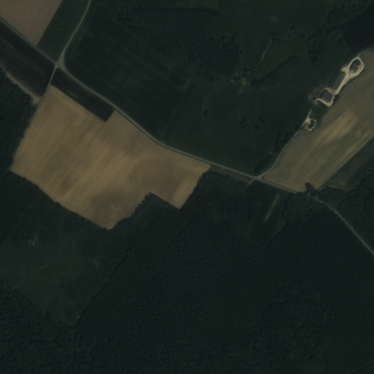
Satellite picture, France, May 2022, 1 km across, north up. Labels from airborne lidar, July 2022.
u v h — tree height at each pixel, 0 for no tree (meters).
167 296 19
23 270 0
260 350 32
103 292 15
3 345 33
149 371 23
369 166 0
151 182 0
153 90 0
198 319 22
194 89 0
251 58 0
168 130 0
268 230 0
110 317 16
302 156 0
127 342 21
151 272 20
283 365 12
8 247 0
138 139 0
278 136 11
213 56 30
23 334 33
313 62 19
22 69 0
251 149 0
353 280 19
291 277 19
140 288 19
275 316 27
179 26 33
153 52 0
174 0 0
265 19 0
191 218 11
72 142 0
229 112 0
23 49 0
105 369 31
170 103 0
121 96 0
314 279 19
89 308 12
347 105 0
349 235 20
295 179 0
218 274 21
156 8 0
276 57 0
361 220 19
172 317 20
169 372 23
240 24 0
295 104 0
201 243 20
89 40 0
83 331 19
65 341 31
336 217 19
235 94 0
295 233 20
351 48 0
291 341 35
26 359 32
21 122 27
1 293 24
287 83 0
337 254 19
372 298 21
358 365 13
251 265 19
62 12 8
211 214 23
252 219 18
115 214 0
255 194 0
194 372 22
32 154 0
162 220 18
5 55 0
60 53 0
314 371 20
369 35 0
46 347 32
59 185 0
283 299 21
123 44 0
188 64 18
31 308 31
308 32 0
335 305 18
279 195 0
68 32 0
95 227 6
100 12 0
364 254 19
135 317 18
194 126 0
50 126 0
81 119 0
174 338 20
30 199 23
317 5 0
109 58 0
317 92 0
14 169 0
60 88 0
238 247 20
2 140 21
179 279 20
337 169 0
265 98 0
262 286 19
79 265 0
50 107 0
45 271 0
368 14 0
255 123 0
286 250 19
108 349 24
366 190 20
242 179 0
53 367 31
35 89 0
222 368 31
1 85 26
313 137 0
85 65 0
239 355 32
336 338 18
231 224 22
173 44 24
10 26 0
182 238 20
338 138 0
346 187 0
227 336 22
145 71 0
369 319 21
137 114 0
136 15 30
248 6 0
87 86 0
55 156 0
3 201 20
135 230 21
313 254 20
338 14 9
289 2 0
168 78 0
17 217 19
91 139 0
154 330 20
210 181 22
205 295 19
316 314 30
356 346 14
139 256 16
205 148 0
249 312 20
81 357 30
